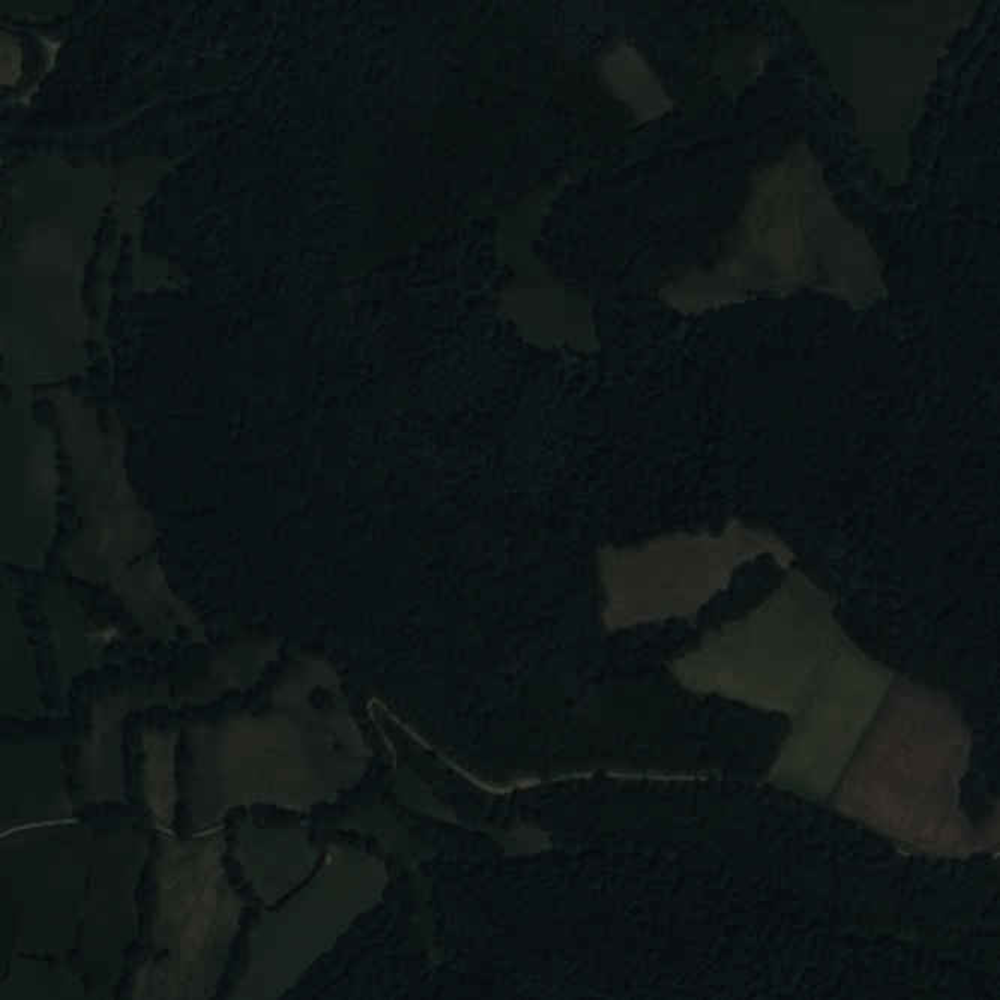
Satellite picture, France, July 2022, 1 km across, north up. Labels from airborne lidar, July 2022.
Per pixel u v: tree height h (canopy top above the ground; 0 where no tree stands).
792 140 20
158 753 0
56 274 0
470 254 24
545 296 0
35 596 18
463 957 17
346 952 18
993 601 20
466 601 19
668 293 0
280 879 0
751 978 22
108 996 0
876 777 0
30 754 0
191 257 22
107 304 0
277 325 18
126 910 0
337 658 24
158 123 20
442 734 18
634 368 20
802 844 19
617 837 18
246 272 21
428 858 0
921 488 18
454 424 27
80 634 0
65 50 9
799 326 19
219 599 17
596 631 20
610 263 20
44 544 0
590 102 8
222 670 0
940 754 0
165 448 20
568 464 27
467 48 17
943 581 21
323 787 0
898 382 25
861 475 27
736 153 22
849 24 0
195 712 12
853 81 0
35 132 12
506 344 28
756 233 0
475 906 27
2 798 0
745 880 29
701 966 22
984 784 10
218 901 0
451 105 20
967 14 0
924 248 18
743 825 17
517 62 17
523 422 32
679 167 25
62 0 0
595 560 13
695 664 0
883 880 20
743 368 24
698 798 17
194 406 21
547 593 21
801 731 0
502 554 24
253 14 19
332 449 16
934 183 16
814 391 15
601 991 12
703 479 7
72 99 21
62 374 0
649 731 19
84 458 0
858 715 0
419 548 13
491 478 14
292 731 0
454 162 21
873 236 18
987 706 21
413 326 32
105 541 0
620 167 9
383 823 0
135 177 0
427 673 13
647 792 15
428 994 24
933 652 14
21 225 0
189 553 11
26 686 0
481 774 10
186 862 0
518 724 16
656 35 17
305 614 21
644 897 26
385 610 22
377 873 0
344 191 8
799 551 15
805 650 0
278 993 0
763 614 0
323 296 12
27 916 0
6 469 0
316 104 16
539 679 19
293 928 0
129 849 0
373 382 10
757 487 22
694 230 20
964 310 23
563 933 24
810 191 0
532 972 20
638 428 9
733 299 0
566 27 27
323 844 18
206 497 8
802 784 0
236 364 24
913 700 0
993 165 19
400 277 26
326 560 22
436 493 11
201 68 24
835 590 12
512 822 14
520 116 24
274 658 0
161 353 22
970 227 24
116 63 20
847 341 24
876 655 5
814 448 17
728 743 12
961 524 23
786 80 15
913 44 0
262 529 19
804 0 0
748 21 13
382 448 13
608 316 20
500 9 21
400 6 14
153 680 20
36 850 0
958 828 0
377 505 15
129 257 14
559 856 17
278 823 18
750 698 0
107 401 15
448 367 40
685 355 8
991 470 25
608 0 17
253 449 15
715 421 20
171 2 26
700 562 0
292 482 15
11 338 0
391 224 22
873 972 30
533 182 25
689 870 26
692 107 18
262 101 22
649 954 25
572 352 20
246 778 0
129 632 11
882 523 23
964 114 14
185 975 0
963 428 23
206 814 0
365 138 12
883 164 0
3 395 16
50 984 0
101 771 0
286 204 21
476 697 16
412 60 17
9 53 0
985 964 15
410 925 20
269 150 23
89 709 25
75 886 0
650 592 0
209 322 19
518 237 0
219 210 19
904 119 0
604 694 18
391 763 16
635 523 14
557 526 24
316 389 16
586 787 13
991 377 14
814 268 0
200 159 23
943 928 16
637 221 16
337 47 11
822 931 27
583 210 23
